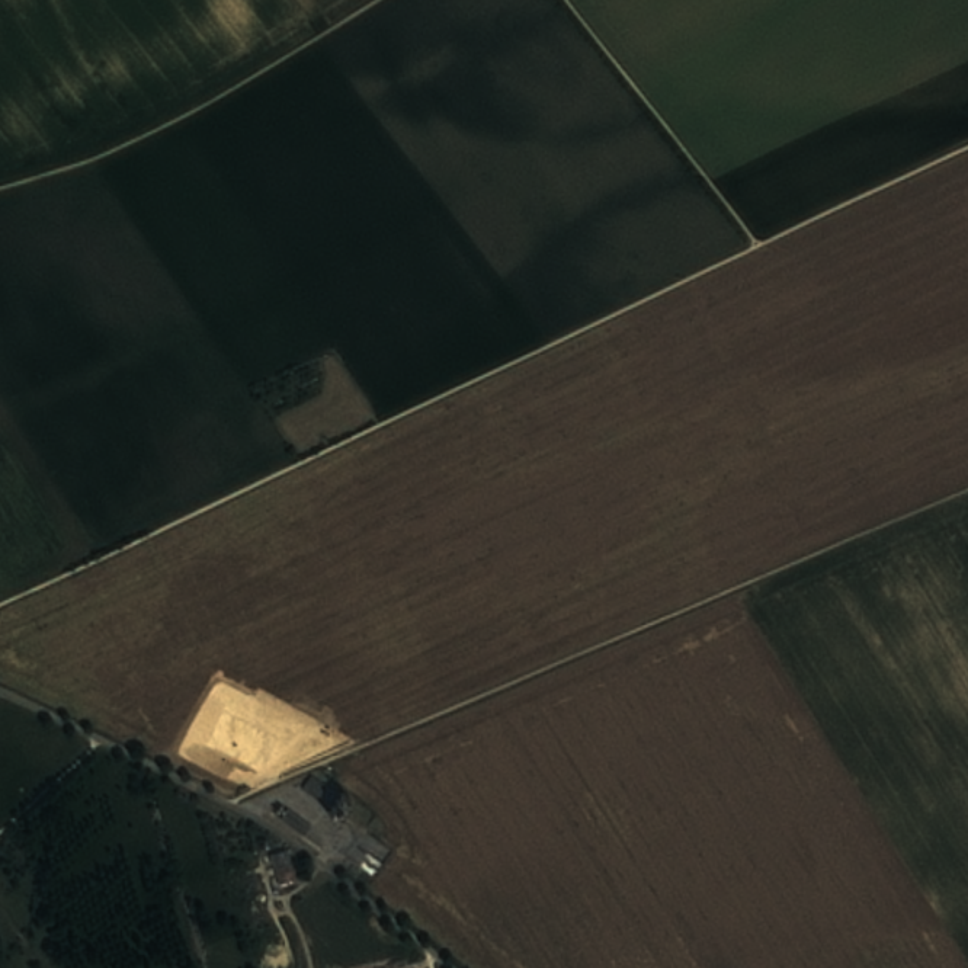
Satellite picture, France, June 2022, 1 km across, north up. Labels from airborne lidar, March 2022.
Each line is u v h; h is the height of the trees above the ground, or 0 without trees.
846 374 0
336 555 0
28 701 0
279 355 0
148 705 0
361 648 0
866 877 0
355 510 0
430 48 0
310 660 0
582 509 0
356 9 0
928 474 0
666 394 0
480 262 0
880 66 0
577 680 0
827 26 0
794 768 0
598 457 0
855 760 0
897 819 0
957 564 0
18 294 0
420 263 0
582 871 0
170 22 0
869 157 0
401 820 0
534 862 0
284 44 0
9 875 10
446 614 0
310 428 0
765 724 0
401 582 0
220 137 0
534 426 0
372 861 0
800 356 0
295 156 0
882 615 0
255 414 0
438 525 0
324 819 0
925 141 0
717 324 0
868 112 0
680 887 0
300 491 0
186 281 0
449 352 0
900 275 0
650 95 0
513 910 0
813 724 0
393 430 0
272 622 0
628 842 0
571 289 0
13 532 0
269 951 0
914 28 0
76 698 0
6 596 0
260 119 0
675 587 0
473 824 0
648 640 0
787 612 0
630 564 0
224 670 0
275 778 0
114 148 0
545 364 0
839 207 0
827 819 0
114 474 0
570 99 0
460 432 0
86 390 0
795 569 0
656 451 0
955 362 0
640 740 0
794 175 0
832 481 0
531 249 0
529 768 0
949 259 0
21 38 0
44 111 0
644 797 0
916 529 0
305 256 0
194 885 0
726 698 0
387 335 0
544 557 0
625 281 0
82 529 0
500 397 0
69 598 0
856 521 0
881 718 0
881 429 0
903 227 0
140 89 0
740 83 0
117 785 0
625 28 0
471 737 0
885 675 0
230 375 0
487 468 0
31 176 0
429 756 0
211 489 0
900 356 0
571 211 0
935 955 0
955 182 0
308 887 0
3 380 0
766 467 0
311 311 0
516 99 0
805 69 0
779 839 0
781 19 0
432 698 0
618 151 0
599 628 0
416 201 0
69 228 0
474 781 0
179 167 0
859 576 0
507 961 0
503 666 0
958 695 0
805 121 0
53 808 30
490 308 0
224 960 0
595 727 0
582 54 0
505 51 0
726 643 0
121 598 0
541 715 0
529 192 0
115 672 0
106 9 0
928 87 0
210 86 0
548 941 0
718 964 0
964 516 0
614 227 0
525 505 0
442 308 0
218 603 0
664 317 0
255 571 0
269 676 0
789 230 0
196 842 0
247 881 0
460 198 0
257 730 0
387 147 0
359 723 0
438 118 0
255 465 0
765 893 0
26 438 0
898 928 0
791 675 0
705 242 0
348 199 0
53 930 15
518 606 0
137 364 0
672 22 0
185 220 0
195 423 0
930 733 0
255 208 0
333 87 0
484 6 0
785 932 0
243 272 0
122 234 0
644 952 0
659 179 0
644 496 0
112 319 0
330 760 0
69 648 0
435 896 0
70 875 0
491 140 0
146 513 0
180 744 0
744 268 0
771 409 0
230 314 0
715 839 0
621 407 0
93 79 0
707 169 0
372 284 0
